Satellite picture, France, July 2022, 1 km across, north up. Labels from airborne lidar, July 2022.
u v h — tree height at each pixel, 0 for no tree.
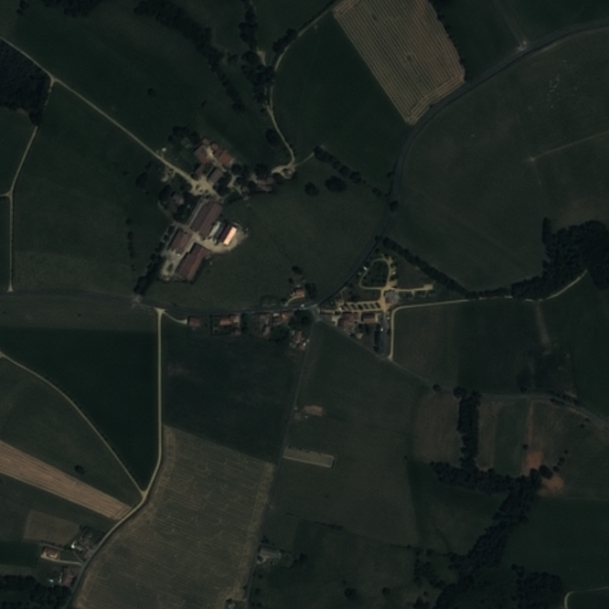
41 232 0
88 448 0
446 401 0
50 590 14
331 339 0
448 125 0
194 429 0
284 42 11
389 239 9
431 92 0
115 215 0
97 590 0
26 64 15
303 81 0
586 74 0
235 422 0
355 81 0
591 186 0
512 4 0
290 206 0
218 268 0
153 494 0
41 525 0
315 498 0
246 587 7
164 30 0
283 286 0
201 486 0
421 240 0
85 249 0
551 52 0
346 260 0
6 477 0
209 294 0
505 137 0
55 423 0
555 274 9
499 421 0
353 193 0
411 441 0
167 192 11
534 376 0
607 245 14
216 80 0
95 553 0
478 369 0
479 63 0
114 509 0
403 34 0
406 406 0
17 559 0
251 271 0
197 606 0
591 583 0
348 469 0
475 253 0
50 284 0
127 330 0
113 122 0
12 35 0
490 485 23
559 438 0
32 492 0
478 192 0
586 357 0
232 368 0
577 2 0
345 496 0
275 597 0
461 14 0
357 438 0
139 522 0
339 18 0
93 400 0
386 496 0
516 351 0
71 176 0
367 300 0
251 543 0
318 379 0
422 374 0
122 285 0
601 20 0
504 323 0
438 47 0
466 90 0
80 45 0
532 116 0
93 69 0
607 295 0
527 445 7
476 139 0
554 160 0
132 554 0
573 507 0
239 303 0
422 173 0
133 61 0
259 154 0
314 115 0
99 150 0
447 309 0
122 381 0
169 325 0
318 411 0
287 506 0
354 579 0
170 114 0
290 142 6
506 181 0
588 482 0
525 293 17
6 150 0
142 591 0
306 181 0
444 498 0
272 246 0
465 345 0
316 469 0
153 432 0
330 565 0
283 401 0
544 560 0
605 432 0
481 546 17
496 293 10
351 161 0
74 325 0
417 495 0
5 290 0
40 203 0
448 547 0
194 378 0
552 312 0
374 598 0
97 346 0
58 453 0
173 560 0
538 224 0
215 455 0
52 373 0
